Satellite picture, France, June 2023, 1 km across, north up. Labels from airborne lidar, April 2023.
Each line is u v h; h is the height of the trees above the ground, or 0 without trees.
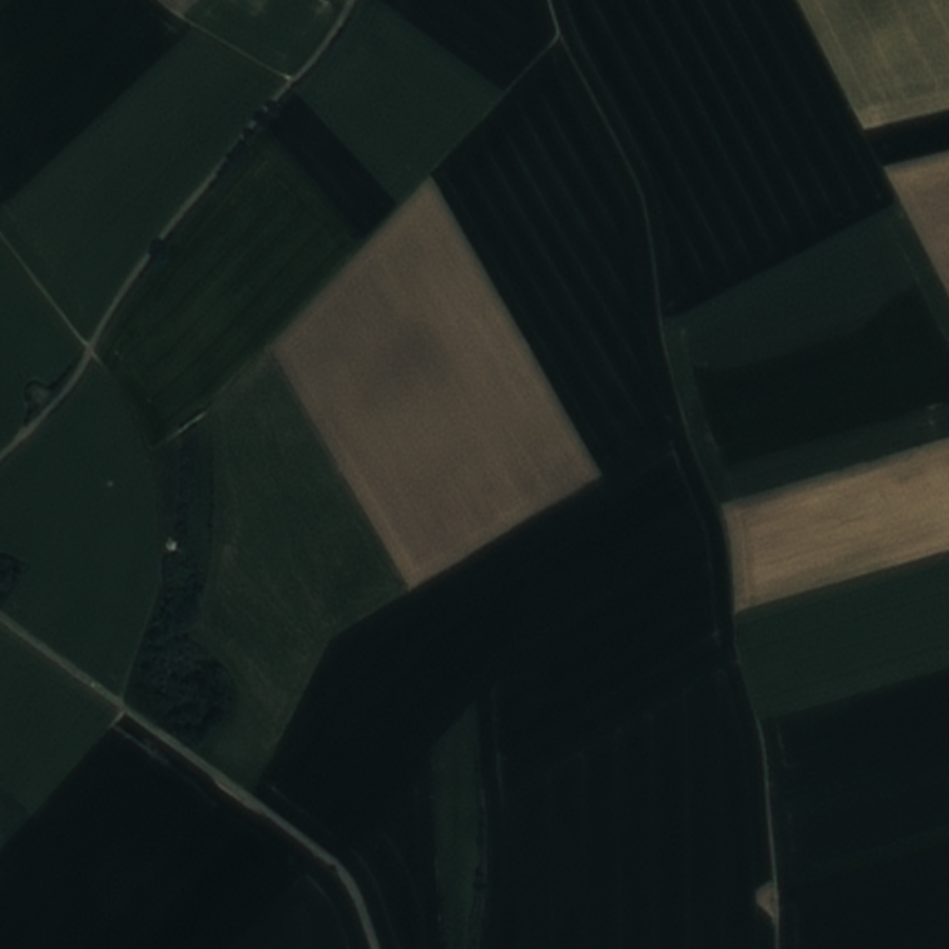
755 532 0
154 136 0
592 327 0
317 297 0
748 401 0
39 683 0
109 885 0
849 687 0
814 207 0
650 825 0
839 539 0
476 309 0
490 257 0
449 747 0
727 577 0
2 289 0
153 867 0
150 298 0
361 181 0
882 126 0
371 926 0
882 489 0
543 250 0
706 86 0
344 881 0
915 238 0
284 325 0
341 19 0
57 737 0
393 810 0
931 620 0
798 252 0
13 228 0
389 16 0
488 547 0
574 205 0
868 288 0
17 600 0
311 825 0
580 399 0
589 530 0
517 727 0
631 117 0
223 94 0
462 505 0
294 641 0
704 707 0
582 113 0
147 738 0
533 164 0
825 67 0
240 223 0
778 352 0
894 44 0
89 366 0
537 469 0
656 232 0
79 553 0
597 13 0
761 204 0
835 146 0
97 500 0
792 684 0
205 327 0
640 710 0
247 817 0
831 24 0
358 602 0
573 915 0
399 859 0
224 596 0
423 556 0
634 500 0
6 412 0
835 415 0
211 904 0
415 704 0
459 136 0
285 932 0
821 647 0
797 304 0
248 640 0
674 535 0
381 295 0
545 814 0
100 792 0
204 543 0
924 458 0
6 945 0
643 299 0
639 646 0
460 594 0
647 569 0
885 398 0
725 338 0
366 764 0
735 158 0
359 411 0
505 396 0
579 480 0
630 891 0
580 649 0
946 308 0
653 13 0
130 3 0
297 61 0
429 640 0
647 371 0
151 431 0
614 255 0
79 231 0
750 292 0
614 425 0
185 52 0
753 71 0
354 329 0
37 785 0
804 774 0
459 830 0
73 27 0
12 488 0
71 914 0
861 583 0
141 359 0
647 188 0
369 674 0
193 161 0
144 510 0
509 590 0
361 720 0
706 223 0
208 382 0
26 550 0
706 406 0
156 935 0
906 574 0
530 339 0
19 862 0
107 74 0
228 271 0
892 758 0
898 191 0
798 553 0
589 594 0
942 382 0
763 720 0
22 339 0
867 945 0
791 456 0
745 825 0
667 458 0
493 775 0
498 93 0
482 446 0
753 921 0
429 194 0
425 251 0
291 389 0
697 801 0
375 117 0
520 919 0
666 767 0
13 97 0
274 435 0
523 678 0
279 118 0
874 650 0
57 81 0
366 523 0
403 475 0
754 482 0
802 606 0
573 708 0
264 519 0
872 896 0
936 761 0
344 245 0
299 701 0
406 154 0
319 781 0
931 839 0
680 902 0
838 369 0
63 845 0
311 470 0
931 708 0
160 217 0
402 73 0
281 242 0
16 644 0
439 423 0
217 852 0
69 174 0
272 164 0
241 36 0
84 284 0
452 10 0
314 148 0
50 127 0
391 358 0
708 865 0
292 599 0
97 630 0
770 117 0
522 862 0
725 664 0
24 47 0
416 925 0
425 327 0
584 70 0
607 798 0
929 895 0
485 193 0
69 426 0
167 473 0
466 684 0
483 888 11
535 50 0
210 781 0
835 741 0
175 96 0
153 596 0
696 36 0
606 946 0
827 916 0
